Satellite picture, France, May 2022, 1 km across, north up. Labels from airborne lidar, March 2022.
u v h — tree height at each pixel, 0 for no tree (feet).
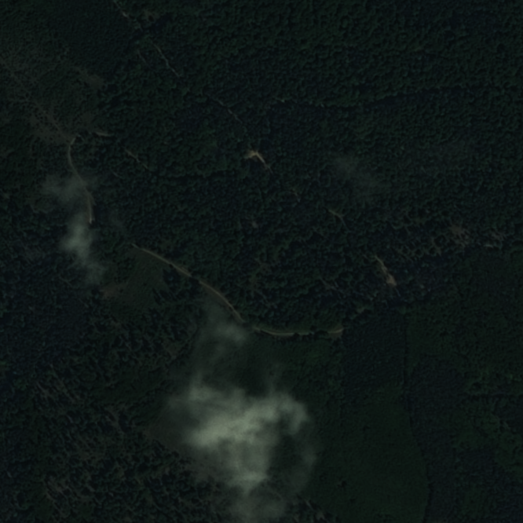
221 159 90
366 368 53
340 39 99
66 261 69
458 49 98
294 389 44
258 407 41
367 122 66
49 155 22
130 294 0
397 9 85
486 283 66
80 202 66
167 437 0
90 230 73
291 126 71
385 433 51
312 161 98
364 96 92
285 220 98
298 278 91
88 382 101
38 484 46
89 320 78
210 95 87
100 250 75
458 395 89
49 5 57
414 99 83
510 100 77
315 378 50
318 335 37
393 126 79
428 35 97
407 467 57
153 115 91
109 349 95
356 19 99
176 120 84
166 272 0
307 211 88
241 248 91
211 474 0
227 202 77
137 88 86
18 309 85
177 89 92
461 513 63
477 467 70
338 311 96
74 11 58
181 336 99
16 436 78
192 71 94
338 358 46
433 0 78
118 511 93
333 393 34
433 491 77
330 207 97
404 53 96
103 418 19
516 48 101
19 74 28
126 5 73
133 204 88
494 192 84
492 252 55
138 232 81
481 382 67
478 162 80
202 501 77
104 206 72
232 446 0
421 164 87
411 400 63
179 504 96
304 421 42
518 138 100
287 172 95
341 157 99
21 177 28
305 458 42
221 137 81
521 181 84
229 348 46
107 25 53
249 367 46
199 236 86
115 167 78
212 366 40
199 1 92
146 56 84
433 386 88
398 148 77
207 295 24
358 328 51
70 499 93
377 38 102
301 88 86
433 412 87
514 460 62
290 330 43
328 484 48
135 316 20
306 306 89
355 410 42
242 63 79
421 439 74
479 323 71
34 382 68
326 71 91
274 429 41
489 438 78
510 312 70
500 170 86
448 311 83
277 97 69
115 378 29
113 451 23
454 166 86
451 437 70
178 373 31
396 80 84
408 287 106
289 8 101
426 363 86
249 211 91
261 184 75
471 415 79
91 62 46
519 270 52
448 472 92
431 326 86
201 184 83
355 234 93
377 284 123
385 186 94
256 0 94
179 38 89
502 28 94
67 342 64
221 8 85
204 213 86
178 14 88
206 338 46
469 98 90
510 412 76
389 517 51
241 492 25
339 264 85
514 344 77
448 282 94
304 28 99
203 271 85
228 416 31
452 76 96
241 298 81
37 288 75
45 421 21
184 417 0
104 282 37
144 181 94
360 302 50
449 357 64
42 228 83
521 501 71
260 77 72
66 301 73
